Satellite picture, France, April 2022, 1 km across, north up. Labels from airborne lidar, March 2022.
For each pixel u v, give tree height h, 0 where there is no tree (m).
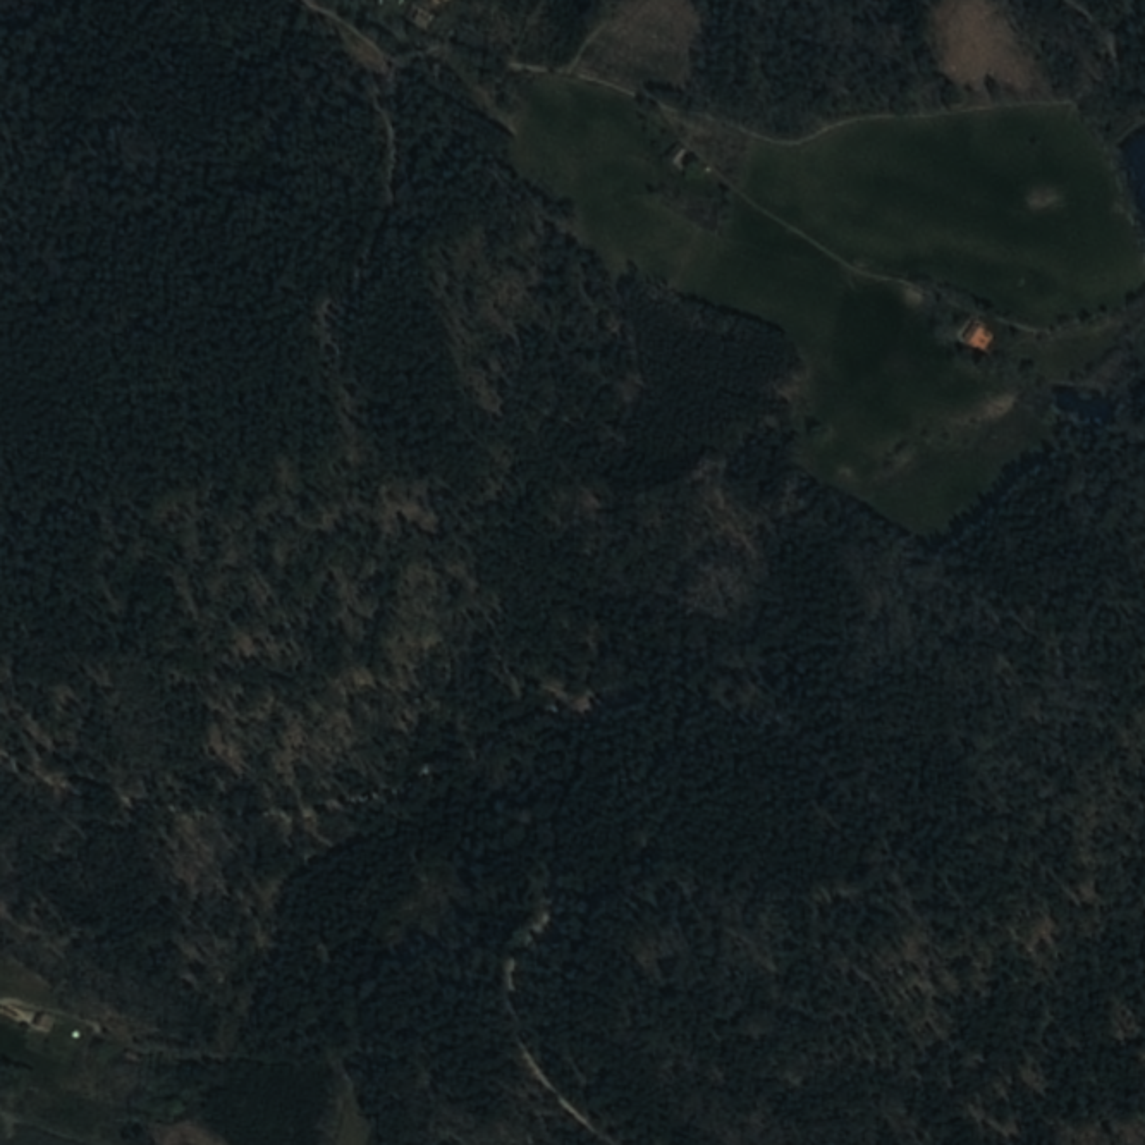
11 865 28
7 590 31
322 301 29
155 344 30
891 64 28
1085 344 0
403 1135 25
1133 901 27
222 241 21
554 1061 23
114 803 26
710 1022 21
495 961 32
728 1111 20
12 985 0
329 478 12
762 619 22
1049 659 22
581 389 26
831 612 32
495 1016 24
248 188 9
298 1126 7
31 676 32
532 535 27
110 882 26
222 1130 10
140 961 32
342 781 13
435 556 23
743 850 23
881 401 0
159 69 30
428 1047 29
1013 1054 26
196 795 30
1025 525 24
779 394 23
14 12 15
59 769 15
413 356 26
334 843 15
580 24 7
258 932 31
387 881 27
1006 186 0
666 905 22
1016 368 18
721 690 28
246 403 9
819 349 0
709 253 0
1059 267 0
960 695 20
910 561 24
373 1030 15
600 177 0
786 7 23
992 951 13
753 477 21
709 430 25
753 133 14
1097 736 16
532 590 28
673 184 0
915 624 22
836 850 22
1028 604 21
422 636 11
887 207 0
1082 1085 29
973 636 17
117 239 23
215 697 30
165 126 24
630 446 17
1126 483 23
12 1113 23
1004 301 0
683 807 28
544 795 25
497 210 26
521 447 20
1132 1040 28
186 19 27
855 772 34
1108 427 17
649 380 21
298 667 23
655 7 0
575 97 0
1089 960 28
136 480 32
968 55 0
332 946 22
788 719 24
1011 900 17
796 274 0
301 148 32
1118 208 0
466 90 22
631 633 28
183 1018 23
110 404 28
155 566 9
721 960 23
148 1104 21
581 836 28
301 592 25
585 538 33
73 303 29
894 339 0
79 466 28
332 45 14
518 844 41
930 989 34
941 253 0
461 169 30
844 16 30
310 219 23
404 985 31
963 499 0
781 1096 14
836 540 24
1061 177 0
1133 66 26
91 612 26
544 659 30
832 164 0
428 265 26
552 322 25
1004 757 15
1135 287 0
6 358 29
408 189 22
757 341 23
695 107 14
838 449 0
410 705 27
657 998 22
